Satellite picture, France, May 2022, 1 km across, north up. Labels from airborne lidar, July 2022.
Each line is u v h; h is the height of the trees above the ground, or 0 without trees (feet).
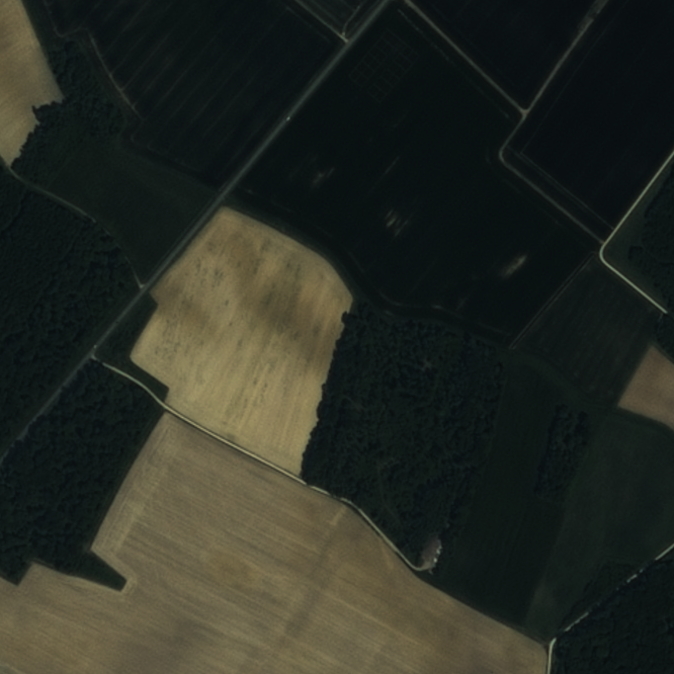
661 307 0
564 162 0
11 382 74
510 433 0
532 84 0
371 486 26
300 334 0
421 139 0
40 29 0
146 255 0
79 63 68
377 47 0
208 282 0
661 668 79
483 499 0
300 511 0
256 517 0
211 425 0
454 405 62
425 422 42
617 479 0
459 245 0
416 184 0
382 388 27
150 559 0
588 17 0
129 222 0
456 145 0
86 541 26
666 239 31
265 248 0
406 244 0
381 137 0
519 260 0
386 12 0
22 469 86
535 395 0
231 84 0
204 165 0
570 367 0
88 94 64
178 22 0
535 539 0
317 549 0
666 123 0
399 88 0
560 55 0
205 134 0
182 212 0
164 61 0
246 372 0
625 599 72
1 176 60
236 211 0
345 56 0
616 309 0
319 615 0
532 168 0
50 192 0
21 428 0
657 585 69
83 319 84
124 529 0
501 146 0
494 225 0
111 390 61
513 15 0
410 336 75
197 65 0
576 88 0
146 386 0
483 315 0
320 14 0
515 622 0
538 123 0
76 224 63
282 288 0
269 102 0
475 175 0
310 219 0
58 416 32
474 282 0
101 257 76
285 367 0
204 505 0
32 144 48
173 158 0
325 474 40
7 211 68
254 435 0
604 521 0
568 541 0
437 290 0
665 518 0
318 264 0
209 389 0
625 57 0
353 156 0
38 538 81
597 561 0
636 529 0
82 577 0
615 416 0
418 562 19
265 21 0
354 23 0
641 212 0
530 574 0
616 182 0
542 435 0
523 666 0
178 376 0
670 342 44
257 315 0
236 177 0
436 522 62
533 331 0
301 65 0
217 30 0
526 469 0
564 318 0
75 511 88
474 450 84
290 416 0
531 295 0
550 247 0
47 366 60
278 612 0
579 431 72
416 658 0
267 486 0
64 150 40
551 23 0
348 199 0
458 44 0
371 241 0
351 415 77
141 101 0
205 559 0
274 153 0
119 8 0
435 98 0
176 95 0
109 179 0
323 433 75
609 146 0
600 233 0
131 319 0
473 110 0
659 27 0
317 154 0
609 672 85
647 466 0
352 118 0
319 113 0
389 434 27
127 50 0
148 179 0
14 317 83
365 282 0
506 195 0
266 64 0
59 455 76
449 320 0
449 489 69
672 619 68
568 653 74
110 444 76
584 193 0
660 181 0
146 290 0
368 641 0
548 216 0
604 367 0
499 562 0
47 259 61
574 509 0
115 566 0
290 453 0
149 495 0
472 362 91
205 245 0
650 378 0
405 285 0
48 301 71
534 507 0
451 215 0
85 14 0
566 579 0
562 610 0
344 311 0
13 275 63
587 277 0
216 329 0
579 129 0
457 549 0
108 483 32
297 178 0
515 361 0
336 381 83
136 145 0
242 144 0
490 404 76
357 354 99
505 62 0
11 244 62
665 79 0
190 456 0
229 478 0
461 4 0
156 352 0
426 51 0
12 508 42
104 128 86
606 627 68
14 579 27
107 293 64
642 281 0
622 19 0
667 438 0
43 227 61
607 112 0
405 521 87
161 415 0
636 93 0
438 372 62
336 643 0
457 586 0
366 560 0
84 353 0
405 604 0
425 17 0
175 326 0
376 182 0
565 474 75
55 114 51
